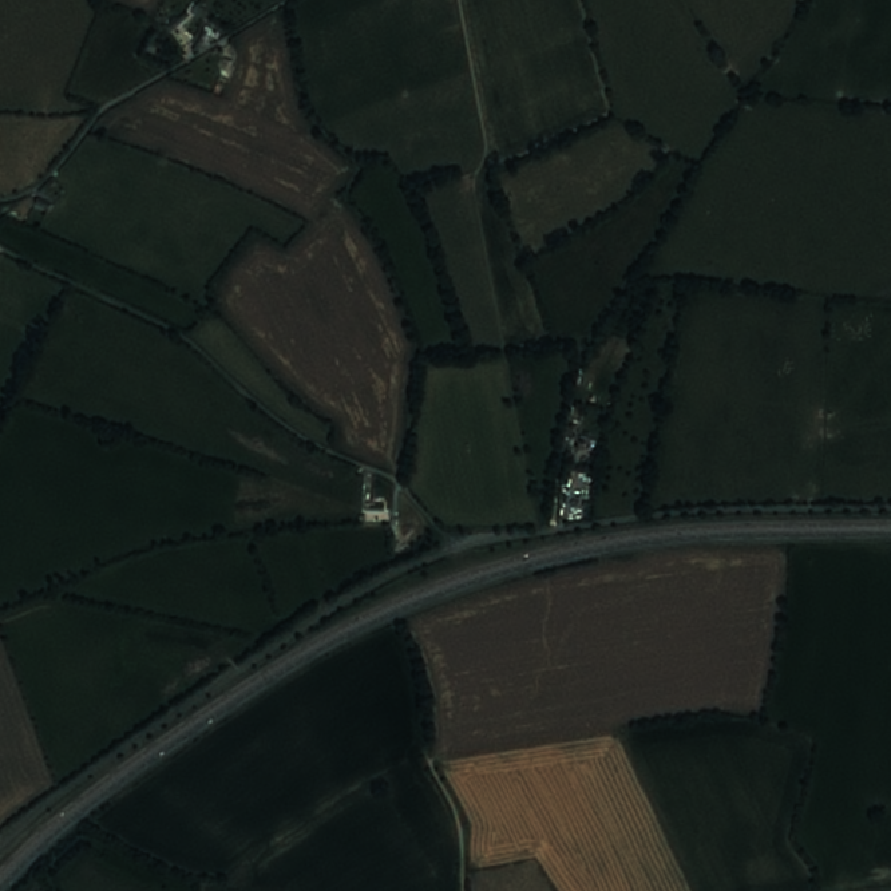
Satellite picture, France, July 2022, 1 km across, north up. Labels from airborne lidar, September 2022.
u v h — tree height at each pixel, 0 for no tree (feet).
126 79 0
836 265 0
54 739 0
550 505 45
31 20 0
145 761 0
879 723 0
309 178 0
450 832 0
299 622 33
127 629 0
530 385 0
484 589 0
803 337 0
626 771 0
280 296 0
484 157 0
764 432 0
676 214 37
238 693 0
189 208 0
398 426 0
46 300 0
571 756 0
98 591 0
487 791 0
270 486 0
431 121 0
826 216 0
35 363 75
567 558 0
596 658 0
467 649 0
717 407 0
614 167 0
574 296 0
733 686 0
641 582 0
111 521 0
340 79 0
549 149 85
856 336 0
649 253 47
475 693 0
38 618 0
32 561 0
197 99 0
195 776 0
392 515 0
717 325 0
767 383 0
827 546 0
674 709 0
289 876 0
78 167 0
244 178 0
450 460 0
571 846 0
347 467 21
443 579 0
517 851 0
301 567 0
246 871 0
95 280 0
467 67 0
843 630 0
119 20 0
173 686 0
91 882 0
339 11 0
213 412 0
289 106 0
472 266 0
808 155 0
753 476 0
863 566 0
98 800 0
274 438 0
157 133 0
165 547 31
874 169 0
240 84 0
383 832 0
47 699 0
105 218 0
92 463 0
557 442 49
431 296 0
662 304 24
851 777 0
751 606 0
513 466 0
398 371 0
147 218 0
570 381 61
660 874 0
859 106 49
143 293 0
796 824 20
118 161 0
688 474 0
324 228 0
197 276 0
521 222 0
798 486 0
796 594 0
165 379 0
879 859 0
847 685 0
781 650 35
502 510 0
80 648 0
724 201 0
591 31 47
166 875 28
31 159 0
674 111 0
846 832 0
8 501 0
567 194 0
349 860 0
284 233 0
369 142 0
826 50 0
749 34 0
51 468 0
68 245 23
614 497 0
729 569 0
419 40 0
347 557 0
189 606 0
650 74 0
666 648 0
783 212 0
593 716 0
